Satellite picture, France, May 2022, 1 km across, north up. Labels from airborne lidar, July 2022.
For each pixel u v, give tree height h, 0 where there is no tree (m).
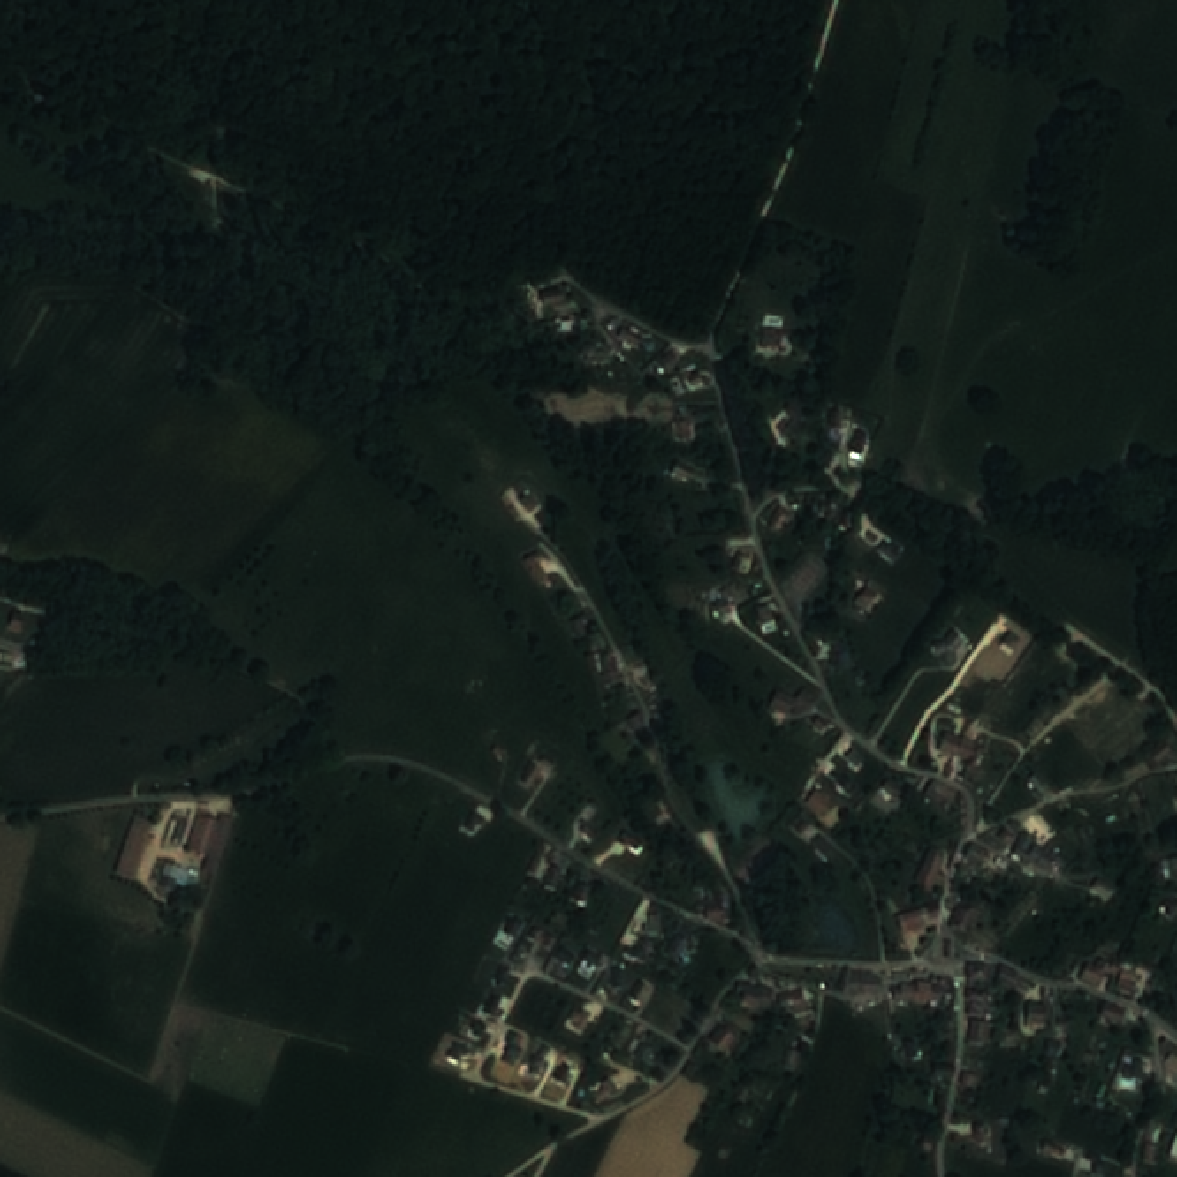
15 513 0
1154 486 21
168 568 0
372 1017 0
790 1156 0
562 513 26
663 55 30
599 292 14
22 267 23
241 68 24
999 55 21
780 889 19
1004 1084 7
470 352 10
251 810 9
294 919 0
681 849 15
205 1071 0
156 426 0
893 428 0
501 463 0
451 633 0
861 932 0
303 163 24
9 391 9
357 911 0
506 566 0
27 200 0
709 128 30
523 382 24
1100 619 0
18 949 0
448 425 0
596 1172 0
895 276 0
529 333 22
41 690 0
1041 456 0
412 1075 0
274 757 16
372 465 20
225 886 0
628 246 15
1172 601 11
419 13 24
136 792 0
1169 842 17
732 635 0
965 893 11
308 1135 0
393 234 13
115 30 29
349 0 29
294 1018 0
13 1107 0
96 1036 0
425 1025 0
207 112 21
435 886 0
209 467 0
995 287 0
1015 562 0
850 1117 0
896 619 0
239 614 0
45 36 27
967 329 0
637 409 0
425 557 0
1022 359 0
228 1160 0
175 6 30
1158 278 0
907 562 0
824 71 0
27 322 0
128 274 20
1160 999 12
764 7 32
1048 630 17
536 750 0
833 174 0
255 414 0
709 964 0
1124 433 0
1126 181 0
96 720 0
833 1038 0
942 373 0
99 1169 0
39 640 11
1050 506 26
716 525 9
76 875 0
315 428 19
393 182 28
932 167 0
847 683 0
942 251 0
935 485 0
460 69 29
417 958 0
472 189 23
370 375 25
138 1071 0
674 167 28
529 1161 0
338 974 0
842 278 16
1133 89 0
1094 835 0
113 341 0
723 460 17
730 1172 0
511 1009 0
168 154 19
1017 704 0
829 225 0
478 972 0
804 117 24
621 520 21
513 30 28
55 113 22
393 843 0
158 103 18
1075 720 0
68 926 0
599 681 0
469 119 28
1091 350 0
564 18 27
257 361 25
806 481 9
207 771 0
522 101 27
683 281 20
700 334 10
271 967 0
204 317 31
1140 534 21
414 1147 0
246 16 23
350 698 0
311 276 29
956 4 0
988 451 0
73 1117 0
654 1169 0
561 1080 6
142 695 0
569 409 0
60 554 0
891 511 25
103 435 0
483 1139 0
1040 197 23
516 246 29
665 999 0
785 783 0
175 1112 0
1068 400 0
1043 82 18
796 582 0
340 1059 0
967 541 13
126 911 0
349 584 0
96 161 19
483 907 0
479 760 0
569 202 29
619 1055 6
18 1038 0
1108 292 0
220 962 0
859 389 0
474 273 27
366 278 29
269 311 32
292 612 0
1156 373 0
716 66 29
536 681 0
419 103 30
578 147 35
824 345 15
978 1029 0
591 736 9
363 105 27
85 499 0
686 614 11
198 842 0
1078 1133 0
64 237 22
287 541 0
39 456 0
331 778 0
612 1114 0
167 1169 0
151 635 23
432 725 0
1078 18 8
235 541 0
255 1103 0
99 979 0
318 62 28
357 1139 0
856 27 0
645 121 29
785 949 24
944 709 0
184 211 26
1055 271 21
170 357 0
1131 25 0
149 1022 0
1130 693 14
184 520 0
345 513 0
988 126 0
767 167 23
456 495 0
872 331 0
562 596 12
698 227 21
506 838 0
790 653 8
